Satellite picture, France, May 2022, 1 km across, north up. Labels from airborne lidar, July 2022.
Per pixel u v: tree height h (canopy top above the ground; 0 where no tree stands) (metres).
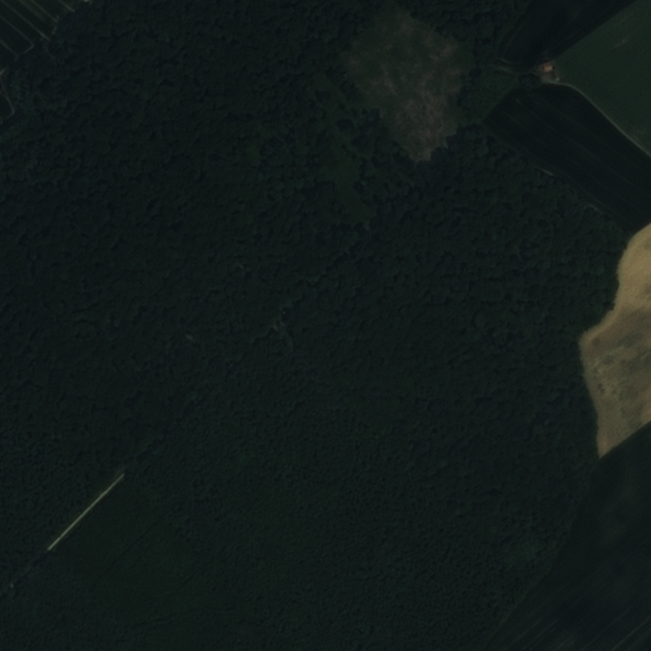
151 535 9
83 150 30
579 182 0
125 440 31
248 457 17
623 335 0
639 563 0
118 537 7
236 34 31
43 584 19
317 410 24
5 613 19
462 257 30
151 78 33
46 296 29
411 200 28
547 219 29
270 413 24
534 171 24
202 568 13
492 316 31
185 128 31
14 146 24
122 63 32
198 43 34
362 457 21
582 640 0
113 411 32
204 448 20
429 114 0
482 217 32
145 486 20
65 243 31
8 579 18
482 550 16
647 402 0
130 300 32
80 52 32
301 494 23
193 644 10
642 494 0
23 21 0
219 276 23
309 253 29
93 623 20
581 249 26
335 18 22
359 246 28
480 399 11
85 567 10
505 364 32
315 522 18
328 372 22
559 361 29
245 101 31
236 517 17
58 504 19
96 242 29
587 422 27
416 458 26
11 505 22
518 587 19
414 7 24
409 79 0
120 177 30
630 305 0
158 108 37
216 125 31
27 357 33
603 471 0
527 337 28
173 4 32
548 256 28
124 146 33
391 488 19
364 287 26
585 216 28
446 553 14
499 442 28
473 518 28
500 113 0
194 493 18
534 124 0
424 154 0
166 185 33
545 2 0
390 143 24
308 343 27
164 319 32
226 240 25
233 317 29
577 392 28
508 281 31
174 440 22
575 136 0
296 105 30
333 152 27
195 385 27
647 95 0
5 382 30
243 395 25
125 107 33
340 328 28
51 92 34
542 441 32
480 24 26
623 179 0
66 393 32
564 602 0
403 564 20
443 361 27
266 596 17
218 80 31
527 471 32
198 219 26
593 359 0
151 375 32
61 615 20
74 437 32
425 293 29
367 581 19
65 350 30
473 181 29
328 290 26
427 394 27
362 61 0
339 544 17
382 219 27
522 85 9
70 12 0
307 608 19
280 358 23
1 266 28
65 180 30
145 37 32
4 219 31
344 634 19
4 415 21
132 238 33
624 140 0
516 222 31
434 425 24
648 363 0
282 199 25
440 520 20
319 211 32
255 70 27
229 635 11
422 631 17
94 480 29
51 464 20
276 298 33
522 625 0
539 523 27
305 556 17
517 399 33
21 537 20
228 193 33
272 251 30
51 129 33
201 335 25
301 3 30
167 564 10
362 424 23
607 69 0
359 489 20
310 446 22
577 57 0
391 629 18
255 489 18
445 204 30
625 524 0
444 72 0
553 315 27
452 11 24
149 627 10
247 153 26
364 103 23
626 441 0
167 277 26
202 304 29
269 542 17
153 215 27
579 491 23
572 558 0
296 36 26
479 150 32
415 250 32
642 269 0
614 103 0
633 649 0
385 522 19
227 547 17
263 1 29
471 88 19
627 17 0
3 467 22
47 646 21
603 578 0
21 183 32
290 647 13
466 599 20
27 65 25
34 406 31
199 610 10
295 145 33
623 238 16
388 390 30
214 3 29
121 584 8
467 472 30
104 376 28
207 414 21
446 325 31
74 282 30
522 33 0
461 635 20
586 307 30
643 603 0
